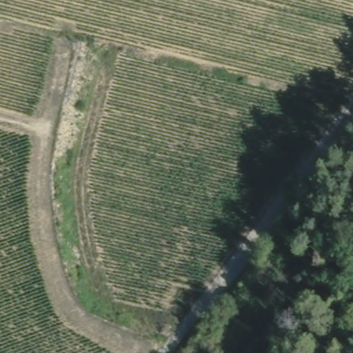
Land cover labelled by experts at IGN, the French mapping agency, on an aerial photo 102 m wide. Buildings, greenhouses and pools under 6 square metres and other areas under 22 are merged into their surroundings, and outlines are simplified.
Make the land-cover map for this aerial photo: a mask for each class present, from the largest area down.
<instances>
[{"label":"vineyard","instance_id":"1","mask_svg":"<svg viewBox=\"0 0 353 353\"><path fill-rule=\"evenodd\" d=\"M0 22L25 23L34 28L47 30L69 28L74 33L94 37V43L97 46H105L106 50L109 46L123 47V51L117 52L113 65L105 68V85L95 87L94 97L85 116L83 137L80 139V148L72 172L74 216L79 226L80 240L76 247V255L79 254L85 259L88 284L102 301L106 296H112L113 302L120 305L142 307L153 312H165L172 306L171 302L174 299L181 301L182 290H189L188 281H200L205 284L211 270L218 266V255L223 245L229 250L240 247V244H243L241 241L248 237V233L258 225L262 216L272 222L276 212L281 210L283 192L280 183L294 170L307 178L314 163L307 159L310 152L307 150L316 145L310 141L309 135L327 128L332 120L325 117L330 113H338L346 105V84H353V0H0ZM51 37L44 34L23 30H14V34L0 33V108L32 116L34 106L39 102L43 90L44 74L55 51L51 50ZM29 137L0 130V353H110L105 347L98 346V343L65 328L52 309L29 234L26 172L29 163Z\"/></svg>","mask_w":353,"mask_h":353},{"label":"herbaceous vegetation","instance_id":"2","mask_svg":"<svg viewBox=\"0 0 353 353\"><path fill-rule=\"evenodd\" d=\"M14 30H23L44 34L51 37V50L55 51L44 74L43 90L39 102L34 106L32 116L0 108V130L29 137V163L26 172L29 234L52 309L65 328L98 343V346L105 347L110 353H165L168 346L176 341L175 328L178 319L175 317V307L172 306L165 312H153L142 307L120 305L113 302L112 296H106L102 301L88 284L85 259L79 254L76 255V247L80 240L79 226L74 216L72 172L80 148V139L83 137L85 116L94 97L95 87L105 85V68L113 65L117 52L123 51V47L109 46L106 50L105 46H97L94 43V37L74 33L69 28L47 30L34 28L25 23L0 22V33L14 34Z\"/></svg>","mask_w":353,"mask_h":353},{"label":"coniferous trees","instance_id":"3","mask_svg":"<svg viewBox=\"0 0 353 353\"><path fill-rule=\"evenodd\" d=\"M327 161L320 159L314 163L307 178L294 170L280 183L283 192L281 210L276 212L272 222L273 225L265 236L272 239L274 254L281 256L284 280L276 281L262 273L254 283L247 276L240 281L239 287L245 285L250 296L247 301H241L236 306L237 314L230 317L229 323L225 325L221 341L223 353H353V288L346 291V295H343V292L336 294L334 287L321 281V273L330 272V268L319 252H314L312 259L303 252L309 243L307 233L314 228V219H310L313 211L321 212L325 205L331 203V215L335 216L336 221L353 222V123L336 134V141L332 142L325 152Z\"/></svg>","mask_w":353,"mask_h":353},{"label":"deciduous trees","instance_id":"4","mask_svg":"<svg viewBox=\"0 0 353 353\"><path fill-rule=\"evenodd\" d=\"M331 203L325 205L321 212L313 211L310 219H314V228L307 233L309 243L303 252L312 259L314 252H319L330 268V272L321 273V281L334 287L336 294L343 292V295H346V291L353 288V222L336 221L335 216L331 215ZM256 258L254 255L245 258L248 266L247 276L254 283L262 273L276 281L284 280L281 256L274 254L272 239L265 236L258 234L254 240ZM250 296L245 285L239 287L232 295L214 296L207 303L210 312L197 327L196 336L189 339L188 346L181 353H223L221 341L225 325L229 323L230 317L237 314L236 306L241 301H247Z\"/></svg>","mask_w":353,"mask_h":353},{"label":"pervious surface","instance_id":"5","mask_svg":"<svg viewBox=\"0 0 353 353\"><path fill-rule=\"evenodd\" d=\"M346 105L338 113H330L325 117L332 120L327 128L309 135L310 141L316 145L307 150L310 152L307 159L314 163L320 159L327 161L325 152L332 142L336 141V134L353 123V84H346ZM273 225L272 222L262 216L258 225L248 233V237L241 241L243 244H240V247L229 250L223 245L218 255V266L211 270L205 284L200 281H188L189 290H182L181 301L174 299L171 302L172 306L175 307V317L178 319L175 328L176 341L168 346L165 353H181L188 346L189 339L196 336L197 327L210 312L207 303L214 296L232 295L239 287L240 281L247 276L248 266L245 258L254 255L256 258L254 240L258 234L265 236Z\"/></svg>","mask_w":353,"mask_h":353}]
</instances>
